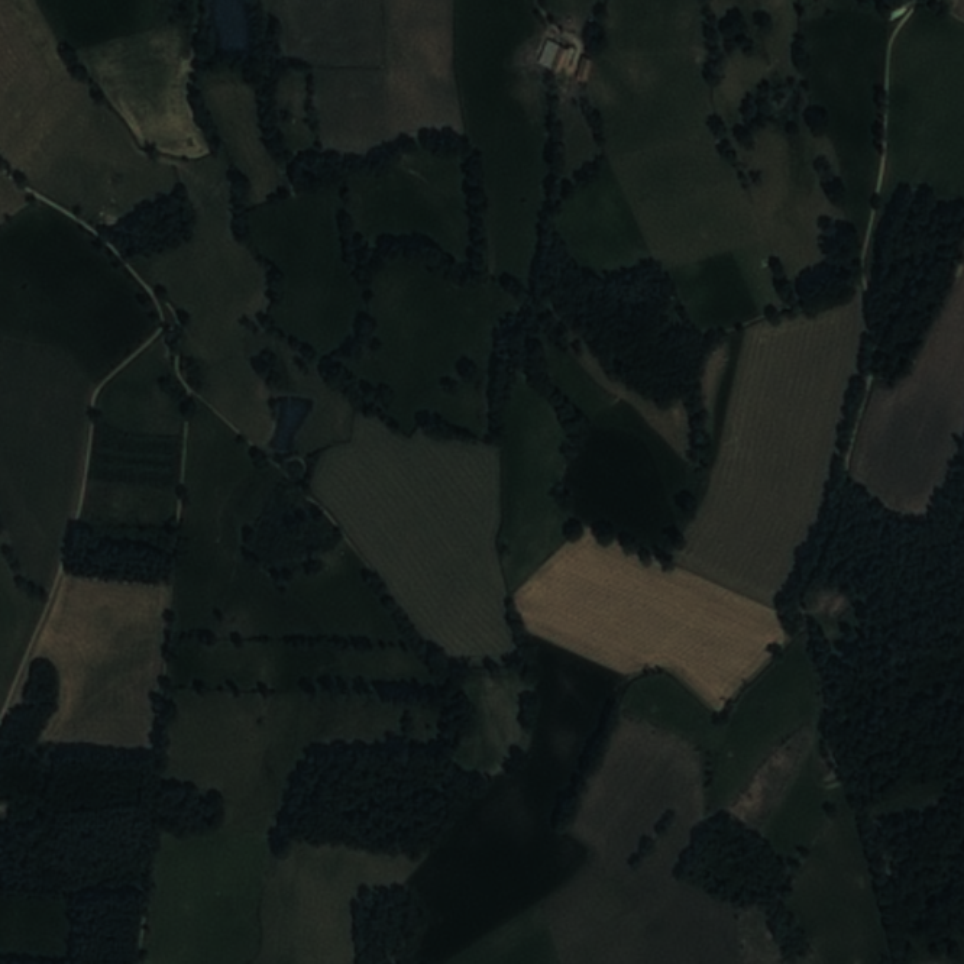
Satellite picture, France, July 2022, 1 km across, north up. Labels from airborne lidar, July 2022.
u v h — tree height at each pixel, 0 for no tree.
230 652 0
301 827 23
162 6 0
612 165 0
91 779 19
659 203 0
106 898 22
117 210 0
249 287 0
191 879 0
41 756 23
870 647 19
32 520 0
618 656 0
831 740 25
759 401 0
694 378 21
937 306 22
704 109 0
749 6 0
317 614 0
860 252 12
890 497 0
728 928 0
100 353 0
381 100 0
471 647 0
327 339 0
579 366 0
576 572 0
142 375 0
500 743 0
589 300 25
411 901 18
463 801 18
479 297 0
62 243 0
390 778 14
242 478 0
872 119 0
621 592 0
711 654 0
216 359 0
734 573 0
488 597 0
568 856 0
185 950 0
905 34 0
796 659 0
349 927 0
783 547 0
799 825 0
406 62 0
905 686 25
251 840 0
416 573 0
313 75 12
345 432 0
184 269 0
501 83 0
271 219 0
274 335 13
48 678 13
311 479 7
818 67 0
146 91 0
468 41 0
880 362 16
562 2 0
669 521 0
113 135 0
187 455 0
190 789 17
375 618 0
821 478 0
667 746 0
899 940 21
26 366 0
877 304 20
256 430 0
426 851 7
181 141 0
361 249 24
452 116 0
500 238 0
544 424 0
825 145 0
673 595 0
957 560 24
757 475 0
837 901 0
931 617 24
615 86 0
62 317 0
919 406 0
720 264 0
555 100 17
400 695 27
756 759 0
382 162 25
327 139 0
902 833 22
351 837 19
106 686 0
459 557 0
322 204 0
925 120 0
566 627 0
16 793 18
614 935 0
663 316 22
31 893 20
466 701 25
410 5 0
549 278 22
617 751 0
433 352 0
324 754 22
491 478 0
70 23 0
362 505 0
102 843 24
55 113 0
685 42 0
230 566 0
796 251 0
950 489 14
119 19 0
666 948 0
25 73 0
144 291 7
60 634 0
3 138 0
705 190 0
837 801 0
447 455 0
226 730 0
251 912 0
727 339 12
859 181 0
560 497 16
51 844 20
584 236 0
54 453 0
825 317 0
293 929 0
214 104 0
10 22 0
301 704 0
